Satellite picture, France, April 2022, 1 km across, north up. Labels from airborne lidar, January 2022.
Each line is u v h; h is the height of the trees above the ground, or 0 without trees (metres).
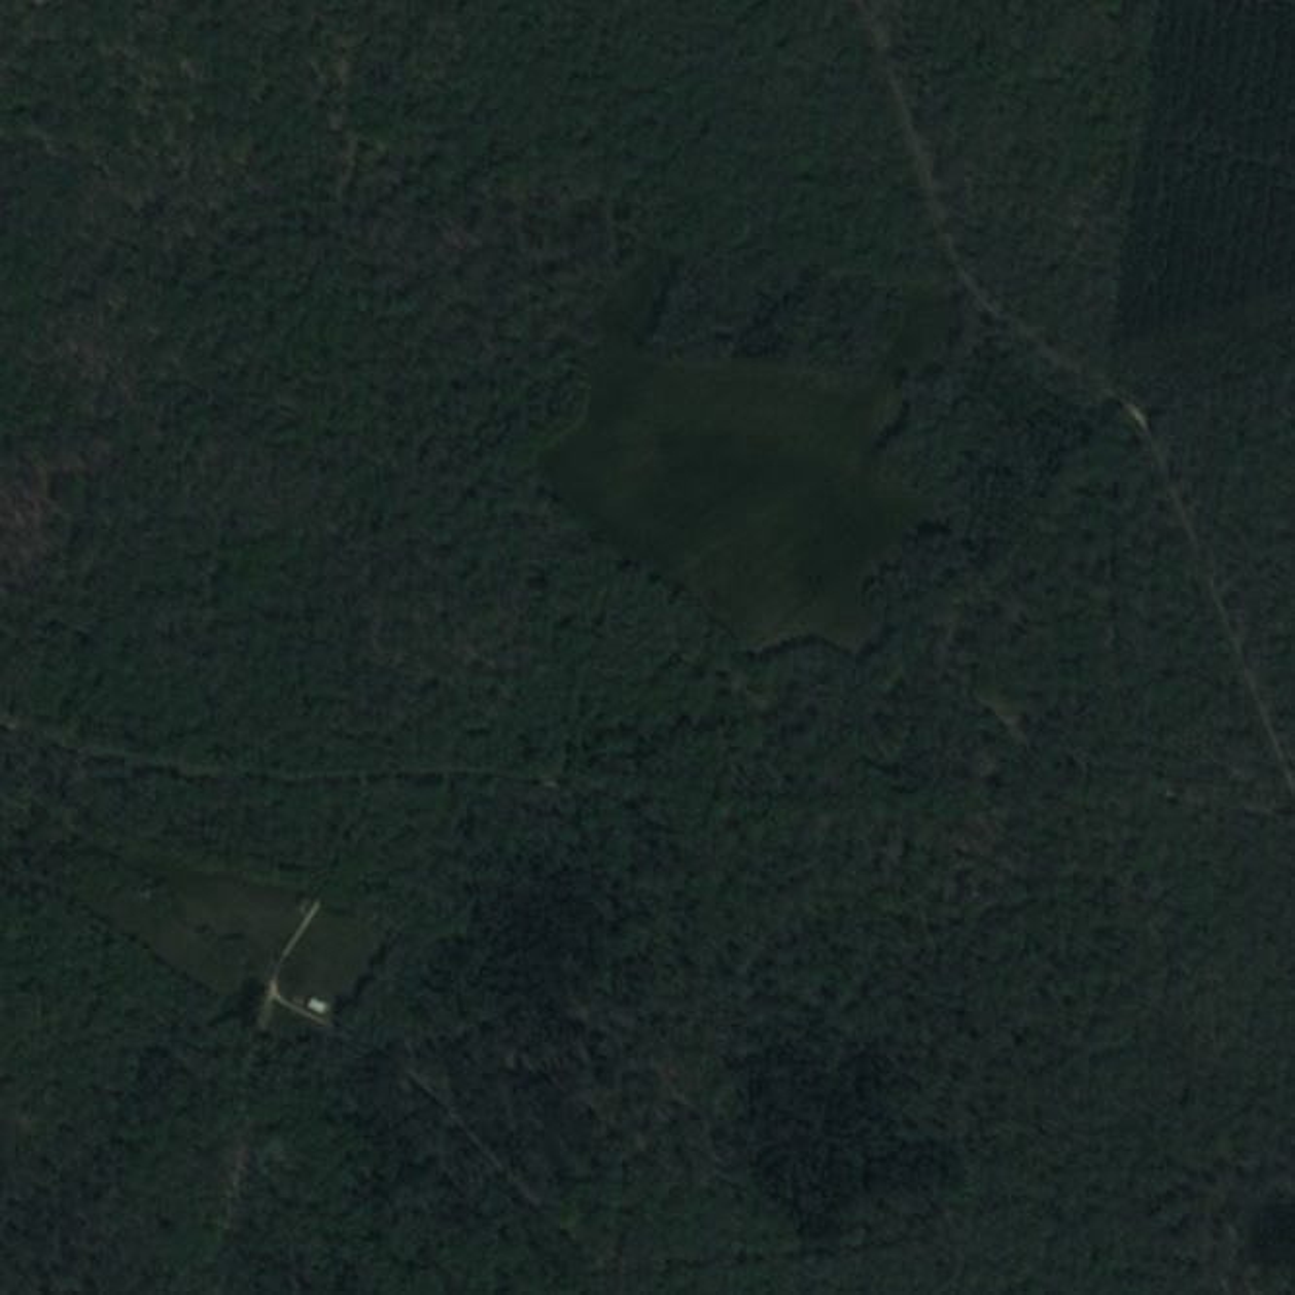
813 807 19
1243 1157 22
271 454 18
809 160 21
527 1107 25
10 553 23
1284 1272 14
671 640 22
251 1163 21
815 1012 19
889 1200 20
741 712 24
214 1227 19
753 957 24
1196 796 20
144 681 21
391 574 23
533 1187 20
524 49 18
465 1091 21
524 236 26
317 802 20
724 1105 26
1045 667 21
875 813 23
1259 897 21
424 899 25
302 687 22
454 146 22
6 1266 18
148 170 21
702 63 22
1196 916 22
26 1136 25
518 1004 30
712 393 0
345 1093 17
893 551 0
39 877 25
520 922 25
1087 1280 25
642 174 26
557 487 0
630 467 0
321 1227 19
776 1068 28
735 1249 22
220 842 20
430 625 23
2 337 24
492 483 21
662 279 0
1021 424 23
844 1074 17
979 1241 22
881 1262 23
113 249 24
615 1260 0
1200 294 15
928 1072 19
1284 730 20
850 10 18
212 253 23
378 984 14
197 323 23
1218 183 15
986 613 22
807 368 21
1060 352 18
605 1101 27
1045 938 23
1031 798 22
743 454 0
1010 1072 21
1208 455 22
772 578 0
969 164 20
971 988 27
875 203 22
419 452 22
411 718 25
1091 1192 22
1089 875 21
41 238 25
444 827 23
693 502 0
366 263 21
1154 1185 22
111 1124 24
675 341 20
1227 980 21
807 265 23
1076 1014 25
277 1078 23
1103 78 19
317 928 0
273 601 22
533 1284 22
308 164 25
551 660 17
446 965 22
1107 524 23
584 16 20
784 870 18
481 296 27
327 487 24
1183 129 15
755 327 21
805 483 0
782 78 21
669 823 23
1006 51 22
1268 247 15
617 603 22
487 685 24
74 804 26
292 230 25
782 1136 29
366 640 24
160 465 25
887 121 21
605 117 23
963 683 24
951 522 18
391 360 19
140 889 11
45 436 22
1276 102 14
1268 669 20
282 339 20
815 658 21
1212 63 14
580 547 7
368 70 22
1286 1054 25
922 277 23
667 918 22
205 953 0
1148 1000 22
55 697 19
